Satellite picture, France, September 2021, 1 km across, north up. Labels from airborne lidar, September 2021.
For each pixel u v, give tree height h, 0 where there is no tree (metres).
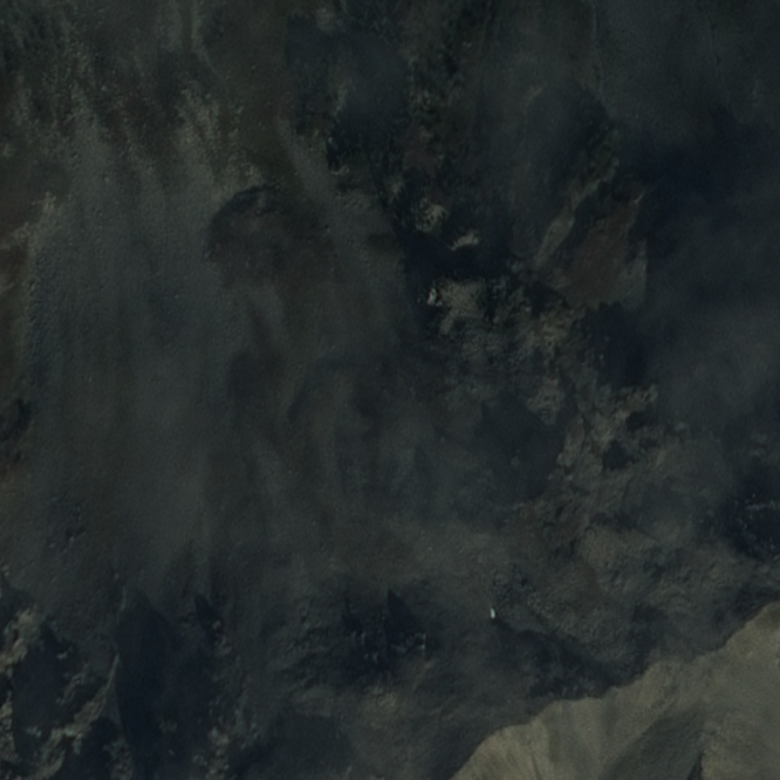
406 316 0
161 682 0
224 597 0
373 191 0
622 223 0
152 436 0
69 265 0
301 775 0
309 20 0
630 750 0
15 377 0
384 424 0
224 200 0
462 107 0
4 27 0
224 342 0
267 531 0
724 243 0
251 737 0
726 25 0
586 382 0
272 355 0
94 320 0
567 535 0
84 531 0
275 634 0
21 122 0
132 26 0
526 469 0
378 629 0
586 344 0
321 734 0
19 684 0
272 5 0
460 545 0
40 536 0
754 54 0
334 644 0
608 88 0
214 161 0
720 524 0
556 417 0
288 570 0
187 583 0
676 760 0
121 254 0
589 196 0
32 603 0
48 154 0
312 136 0
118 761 0
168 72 0
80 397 0
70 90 0
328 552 0
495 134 0
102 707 0
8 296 0
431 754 0
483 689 0
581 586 0
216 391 0
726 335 0
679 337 0
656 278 0
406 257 0
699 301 0
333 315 0
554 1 0
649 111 0
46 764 0
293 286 0
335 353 0
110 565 0
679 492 0
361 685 0
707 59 0
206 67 0
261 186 0
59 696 0
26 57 0
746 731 0
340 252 0
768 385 0
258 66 0
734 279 0
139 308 0
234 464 0
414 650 0
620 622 0
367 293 0
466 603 0
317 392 0
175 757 0
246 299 0
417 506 0
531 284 0
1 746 0
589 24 0
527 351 0
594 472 0
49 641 0
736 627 0
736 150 0
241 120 0
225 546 0
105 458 0
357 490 0
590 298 0
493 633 0
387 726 0
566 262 0
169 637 0
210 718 0
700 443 0
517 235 0
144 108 0
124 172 0
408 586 0
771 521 0
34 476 0
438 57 0
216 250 0
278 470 0
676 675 0
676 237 0
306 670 0
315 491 0
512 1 0
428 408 0
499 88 0
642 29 0
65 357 0
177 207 0
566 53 0
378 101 7
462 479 0
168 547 0
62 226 0
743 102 0
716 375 0
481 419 0
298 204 0
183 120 0
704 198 0
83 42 0
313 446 0
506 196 0
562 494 0
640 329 0
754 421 0
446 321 0
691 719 0
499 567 0
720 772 0
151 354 0
